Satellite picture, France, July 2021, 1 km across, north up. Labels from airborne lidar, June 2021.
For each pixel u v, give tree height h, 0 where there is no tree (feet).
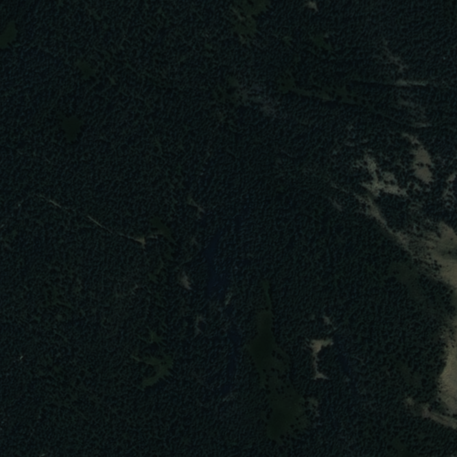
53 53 94
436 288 37
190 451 65
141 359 47
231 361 43
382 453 33
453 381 0
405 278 0
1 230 43
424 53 34
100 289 43
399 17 44
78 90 79
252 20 0
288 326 80
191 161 73
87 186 29
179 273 25
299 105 73
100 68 59
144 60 88
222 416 29
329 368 28
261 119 59
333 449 56
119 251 83
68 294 54
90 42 60
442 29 41
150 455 51
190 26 57
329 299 62
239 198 55
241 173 80
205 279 30
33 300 76
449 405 0
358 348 30
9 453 74
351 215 44
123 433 55
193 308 64
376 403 35
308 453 54
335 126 51
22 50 45
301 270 70
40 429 42
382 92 81
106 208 60
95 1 76
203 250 18
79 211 65
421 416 23
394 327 44
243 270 74
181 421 62
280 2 99
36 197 46
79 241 59
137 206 64
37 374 49
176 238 67
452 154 40
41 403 70
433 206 26
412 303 28
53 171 48
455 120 30
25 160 51
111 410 25
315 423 36
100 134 57
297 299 73
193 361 70
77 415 47
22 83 45
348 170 31
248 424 74
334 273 54
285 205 82
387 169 33
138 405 69
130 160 67
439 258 0
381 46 24
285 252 68
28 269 55
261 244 60
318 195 25
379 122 38
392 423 36
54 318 72
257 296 74
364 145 49
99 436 74
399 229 39
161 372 0
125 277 34
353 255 64
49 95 93
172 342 90
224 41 26
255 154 76
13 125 47
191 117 83
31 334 65
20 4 64
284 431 0
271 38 68
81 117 82
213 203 87
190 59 43
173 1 58
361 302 67
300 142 68
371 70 70
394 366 35
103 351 61
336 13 102
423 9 48
